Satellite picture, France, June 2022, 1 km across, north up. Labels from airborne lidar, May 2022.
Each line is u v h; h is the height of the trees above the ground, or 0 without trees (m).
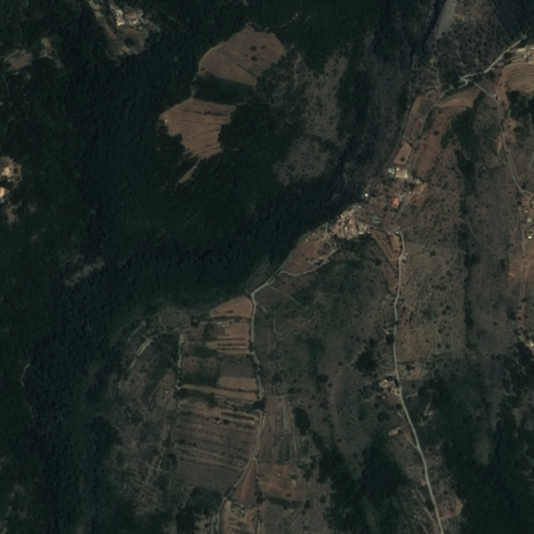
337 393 0
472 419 7
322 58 11
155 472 0
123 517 12
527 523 14
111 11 9
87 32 15
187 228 6
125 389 0
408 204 0
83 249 10
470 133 6
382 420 13
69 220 12
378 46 9
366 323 0
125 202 9
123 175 12
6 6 21
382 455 10
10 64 7
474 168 8
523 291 0
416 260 0
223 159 13
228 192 20
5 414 20
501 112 0
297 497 0
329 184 10
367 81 6
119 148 12
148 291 7
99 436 14
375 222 0
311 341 7
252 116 6
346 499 12
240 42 0
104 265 14
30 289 16
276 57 0
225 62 0
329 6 8
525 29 18
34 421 10
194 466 0
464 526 10
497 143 0
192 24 17
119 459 8
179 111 0
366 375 6
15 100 16
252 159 11
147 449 0
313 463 7
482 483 15
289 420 0
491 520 18
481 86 0
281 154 11
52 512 9
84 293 15
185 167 11
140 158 11
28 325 15
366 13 9
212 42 13
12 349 16
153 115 9
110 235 20
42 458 22
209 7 14
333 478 13
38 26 15
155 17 10
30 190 11
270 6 9
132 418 9
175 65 12
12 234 10
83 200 16
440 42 13
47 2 16
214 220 11
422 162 0
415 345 0
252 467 0
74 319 8
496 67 7
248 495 0
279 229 13
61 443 10
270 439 0
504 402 6
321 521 0
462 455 19
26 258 13
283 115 7
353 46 11
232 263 22
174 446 0
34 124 14
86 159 16
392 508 6
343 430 0
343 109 6
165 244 19
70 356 15
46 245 11
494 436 7
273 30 11
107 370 8
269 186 10
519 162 0
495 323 6
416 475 0
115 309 15
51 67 12
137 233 17
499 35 12
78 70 10
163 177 8
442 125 0
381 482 16
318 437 13
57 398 6
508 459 14
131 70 16
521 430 10
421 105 0
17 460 11
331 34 15
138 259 27
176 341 6
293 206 16
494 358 9
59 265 15
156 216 14
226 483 0
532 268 0
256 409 10
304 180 7
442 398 15
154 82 14
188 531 7
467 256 10
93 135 7
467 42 7
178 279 16
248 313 0
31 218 11
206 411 0
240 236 16
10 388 21
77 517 8
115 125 18
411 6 8
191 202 11
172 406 0
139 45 0
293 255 0
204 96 6
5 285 7
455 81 7
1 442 12
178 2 17
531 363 8
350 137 5
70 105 20
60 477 17
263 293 0
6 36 14
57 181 12
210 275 23
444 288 7
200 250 18
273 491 0
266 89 7
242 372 0
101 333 11
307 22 7
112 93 17
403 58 8
